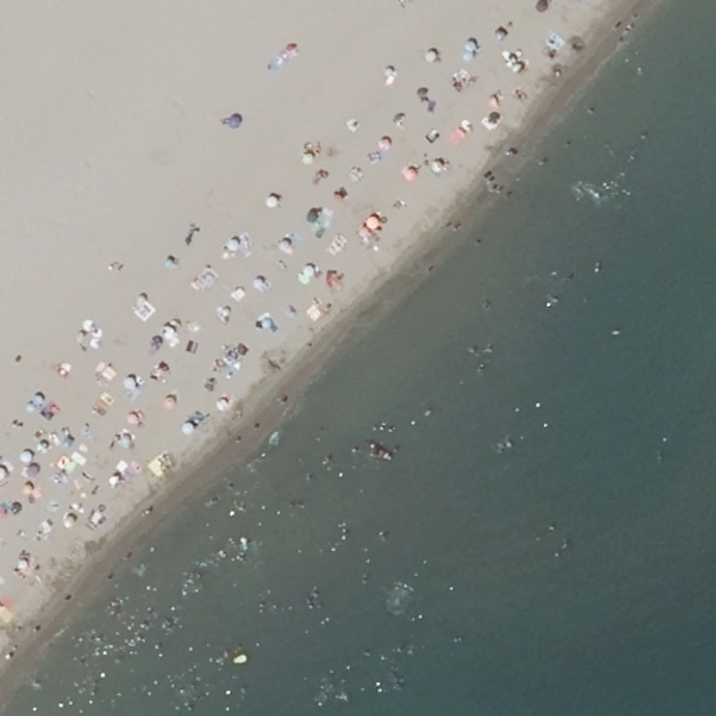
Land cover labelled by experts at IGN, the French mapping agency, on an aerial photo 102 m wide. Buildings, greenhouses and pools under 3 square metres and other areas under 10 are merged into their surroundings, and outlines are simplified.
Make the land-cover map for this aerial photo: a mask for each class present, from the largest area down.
<instances>
[{"label":"water","instance_id":"1","mask_svg":"<svg viewBox=\"0 0 716 716\"><path fill-rule=\"evenodd\" d=\"M568 64H554L548 76H543L545 92L526 112L520 129H506V134L487 148L489 162L484 173L473 182L470 190L456 193L445 224L439 229L425 232L414 252L394 266V274L383 280L375 291H369L347 313V319L352 322L347 338L338 344V350L324 361L322 372L302 392L299 408H294L282 420L280 439L260 442L252 453H246L241 461L215 475L204 489L190 495L168 517L154 523L151 531L131 545L126 559H120L109 571L95 596L67 624L64 635L56 643H50L45 657L34 666V671L22 677L17 691L0 708V716H716V0H618L604 20L590 22V28L582 36H573L568 42Z\"/></svg>","mask_w":716,"mask_h":716},{"label":"bare soil","instance_id":"2","mask_svg":"<svg viewBox=\"0 0 716 716\"><path fill-rule=\"evenodd\" d=\"M618 0H0V708L17 691L22 677L34 671V666L45 657L50 643H56L64 635L67 624L95 596L109 571L120 559H126L131 545L151 531L154 523L168 517L190 495L204 489L215 475L241 461L246 453H252L260 442L280 439L282 420L294 408H299L302 392L322 372L324 361L338 350V344L347 338L352 322L347 319V313L369 291H375L383 280L394 274V266L414 252L425 232L439 229L445 224L456 193L470 190L473 182L484 173L489 162L487 148L506 134V129H520L526 112L545 92L543 76H548L554 64H568V42L573 36H582L590 28V22L604 20Z\"/></svg>","mask_w":716,"mask_h":716}]
</instances>
